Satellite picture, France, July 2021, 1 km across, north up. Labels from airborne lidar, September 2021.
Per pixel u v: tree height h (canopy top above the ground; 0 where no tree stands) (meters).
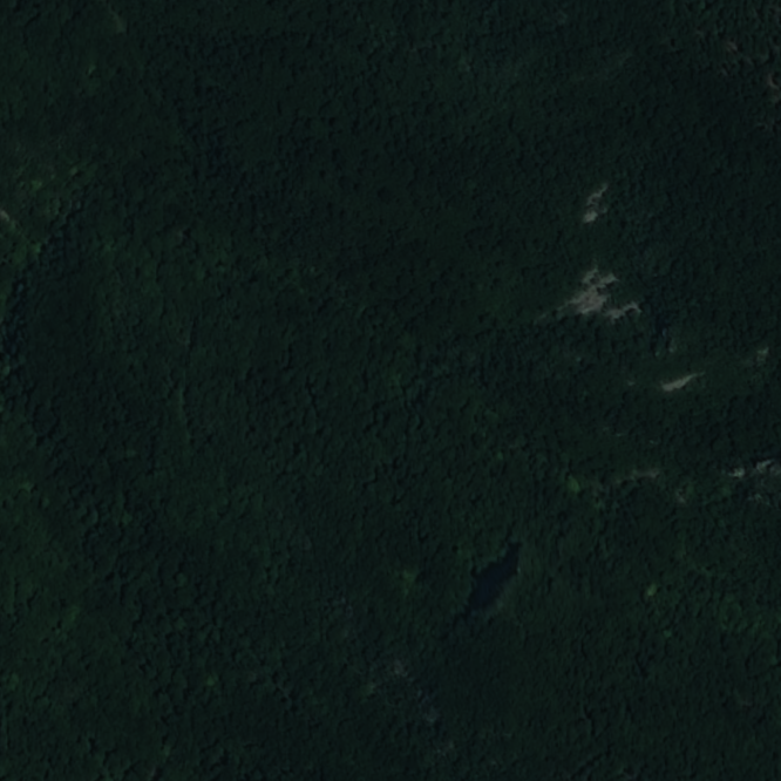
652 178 12
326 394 29
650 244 22
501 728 11
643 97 14
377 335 22
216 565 23
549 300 8
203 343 16
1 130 17
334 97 10
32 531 20
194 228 21
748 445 9
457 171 13
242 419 21
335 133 10
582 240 13
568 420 7
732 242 13
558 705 21
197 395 13
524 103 7
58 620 23
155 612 20
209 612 22
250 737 22
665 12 23
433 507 29
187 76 11
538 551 11
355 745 19
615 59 6
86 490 16
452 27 9
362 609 20
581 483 15
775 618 24
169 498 27
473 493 23
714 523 7
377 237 25
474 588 24
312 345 32
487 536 24
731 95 20
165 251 28
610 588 23
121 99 34
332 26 14
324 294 15
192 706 28
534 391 15
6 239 15
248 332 30
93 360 26
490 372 14
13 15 31
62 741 21
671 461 9
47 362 30
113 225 29
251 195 11
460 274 12
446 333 11
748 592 25
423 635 24
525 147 20
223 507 20
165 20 11
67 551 23
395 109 14
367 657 12
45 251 21
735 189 23
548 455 21
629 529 20
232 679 21
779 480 7
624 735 31
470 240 18
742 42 22
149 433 15
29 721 28
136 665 27
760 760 30
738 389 9
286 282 23
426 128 12
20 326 29
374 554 31
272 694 18
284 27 10
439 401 21
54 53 20
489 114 13
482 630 19
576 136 10
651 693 28
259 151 11
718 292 16
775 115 20
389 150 19
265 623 19
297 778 19
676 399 8
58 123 12
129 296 9
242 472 15
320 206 16
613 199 16
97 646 28
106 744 29
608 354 14
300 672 14
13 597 25
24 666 28
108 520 27
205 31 12
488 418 25
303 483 30
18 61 22
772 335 17
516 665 18
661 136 11
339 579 13
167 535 26
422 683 16
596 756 32
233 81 9
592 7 15
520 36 17
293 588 17
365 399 32
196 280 28
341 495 30
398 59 14
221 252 21
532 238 7
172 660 13
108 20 9
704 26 19
